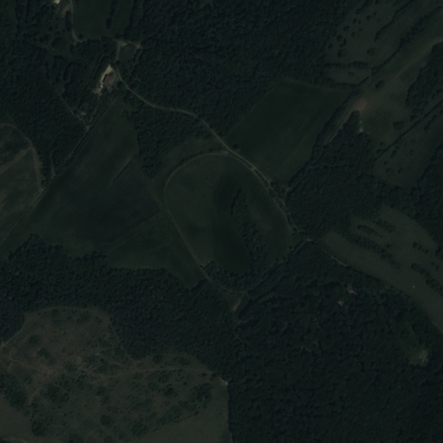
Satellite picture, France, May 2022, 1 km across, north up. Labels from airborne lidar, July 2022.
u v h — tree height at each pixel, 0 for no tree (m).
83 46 10
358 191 14
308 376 30
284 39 20
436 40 0
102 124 0
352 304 24
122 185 0
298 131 0
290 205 13
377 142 0
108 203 0
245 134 0
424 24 18
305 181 15
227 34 28
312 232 15
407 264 0
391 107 0
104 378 0
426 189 17
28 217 0
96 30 0
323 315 29
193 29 29
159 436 0
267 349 30
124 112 9
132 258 0
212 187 0
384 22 0
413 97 7
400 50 6
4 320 14
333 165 15
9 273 11
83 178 0
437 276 0
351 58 0
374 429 22
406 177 0
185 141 7
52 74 16
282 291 24
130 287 11
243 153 0
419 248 7
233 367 19
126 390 0
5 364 0
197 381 0
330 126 16
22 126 10
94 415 0
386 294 9
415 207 15
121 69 6
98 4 0
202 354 13
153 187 0
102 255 9
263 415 27
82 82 11
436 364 24
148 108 9
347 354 25
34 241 11
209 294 11
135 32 13
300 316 28
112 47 12
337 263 18
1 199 0
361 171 12
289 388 23
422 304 0
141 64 11
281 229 0
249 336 26
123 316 12
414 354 0
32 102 15
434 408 28
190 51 14
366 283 22
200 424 0
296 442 21
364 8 8
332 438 28
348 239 13
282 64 19
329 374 28
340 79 0
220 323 11
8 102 14
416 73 0
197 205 0
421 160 0
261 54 17
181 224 0
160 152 10
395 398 27
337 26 10
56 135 13
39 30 10
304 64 18
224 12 21
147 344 15
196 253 0
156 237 0
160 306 14
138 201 0
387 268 0
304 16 20
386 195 13
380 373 28
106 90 7
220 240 0
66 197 0
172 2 26
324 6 20
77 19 0
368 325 29
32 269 15
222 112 17
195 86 19
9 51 18
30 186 0
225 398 0
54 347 0
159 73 13
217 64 9
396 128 11
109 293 10
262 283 16
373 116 0
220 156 0
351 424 26
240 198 13
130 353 8
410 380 27
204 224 0
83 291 16
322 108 0
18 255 17
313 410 28
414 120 7
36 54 16
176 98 13
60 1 0
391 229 6
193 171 0
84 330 0
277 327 30
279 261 10
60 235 0
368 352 29
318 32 13
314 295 25
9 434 0
